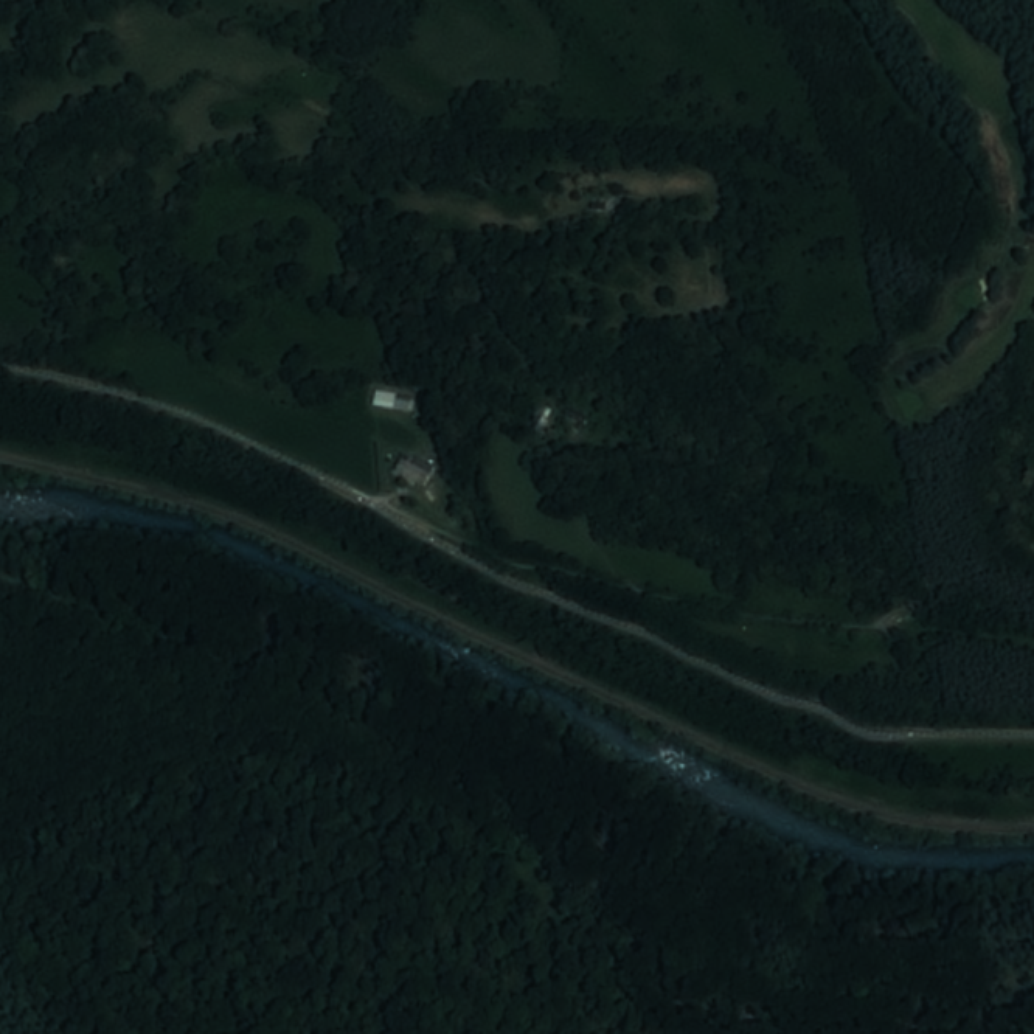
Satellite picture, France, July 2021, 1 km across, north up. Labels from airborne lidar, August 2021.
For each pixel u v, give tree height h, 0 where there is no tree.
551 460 21
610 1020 24
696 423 25
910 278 20
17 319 0
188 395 0
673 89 10
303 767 21
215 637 35
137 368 0
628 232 18
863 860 0
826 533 19
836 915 36
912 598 20
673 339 23
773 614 7
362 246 27
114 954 23
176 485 13
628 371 28
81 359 7
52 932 24
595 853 35
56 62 13
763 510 22
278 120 0
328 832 26
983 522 24
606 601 22
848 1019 36
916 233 12
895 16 32
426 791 24
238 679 19
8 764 19
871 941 31
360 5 11
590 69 0
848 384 0
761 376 15
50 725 19
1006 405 23
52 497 0
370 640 36
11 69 22
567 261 19
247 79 0
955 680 28
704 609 14
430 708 40
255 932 12
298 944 23
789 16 12
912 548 18
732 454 21
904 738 0
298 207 0
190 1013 26
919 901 36
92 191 17
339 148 23
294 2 0
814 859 16
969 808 6
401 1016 28
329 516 25
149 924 30
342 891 25
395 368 25
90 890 28
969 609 24
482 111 11
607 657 25
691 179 0
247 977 25
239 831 26
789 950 35
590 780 31
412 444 0
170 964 30
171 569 40
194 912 24
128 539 30
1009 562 29
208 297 25
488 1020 25
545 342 23
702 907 29
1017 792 18
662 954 28
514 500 0
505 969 30
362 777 21
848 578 20
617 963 8
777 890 31
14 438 21
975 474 23
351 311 25
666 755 0
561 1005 31
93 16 17
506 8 7
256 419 0
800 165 11
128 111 21
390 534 16
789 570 20
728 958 30
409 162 19
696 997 36
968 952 33
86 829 13
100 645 22
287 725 19
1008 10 32
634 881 29
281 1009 30
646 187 0
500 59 0
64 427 30
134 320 14
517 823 27
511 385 15
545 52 0
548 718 23
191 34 0
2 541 36
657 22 0
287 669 37
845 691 14
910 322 11
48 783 20
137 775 20
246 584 36
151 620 28
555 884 33
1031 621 24
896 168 13
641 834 33
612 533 21
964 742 0
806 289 0
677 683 26
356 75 13
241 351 0
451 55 0
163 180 0
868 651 0
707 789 0
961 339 22
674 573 0
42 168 21
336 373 6
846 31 15
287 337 0
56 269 22
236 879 25
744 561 26
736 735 15
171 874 27
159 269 29
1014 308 0
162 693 19
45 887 27
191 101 0
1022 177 0
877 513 20
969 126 29
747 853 37
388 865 7
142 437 22
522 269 22
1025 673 28
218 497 14
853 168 13
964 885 9
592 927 32
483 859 30
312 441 0
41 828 22
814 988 32
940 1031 35
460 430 21
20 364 10
